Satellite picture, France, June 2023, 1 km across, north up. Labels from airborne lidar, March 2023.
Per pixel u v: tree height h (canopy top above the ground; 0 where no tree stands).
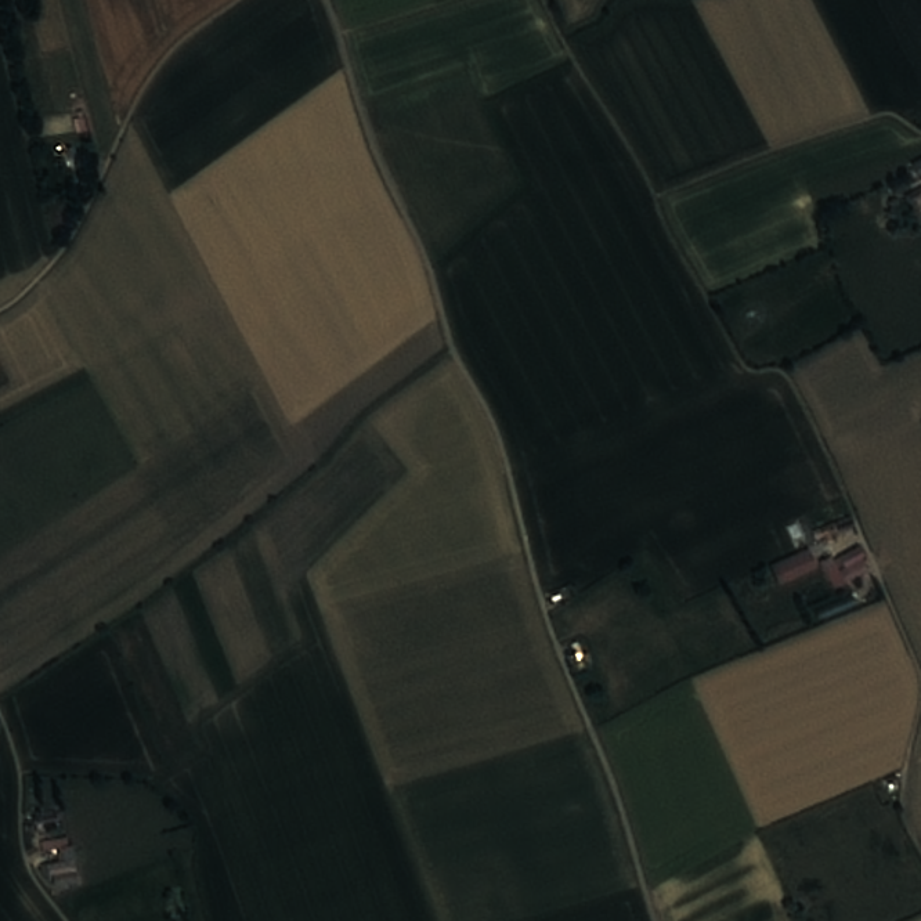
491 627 0
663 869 0
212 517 0
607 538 0
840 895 0
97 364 0
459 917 0
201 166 0
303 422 0
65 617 0
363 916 0
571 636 0
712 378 0
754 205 0
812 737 0
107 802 0
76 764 0
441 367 0
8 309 0
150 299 0
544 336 0
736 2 0
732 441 0
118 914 0
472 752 0
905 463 0
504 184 0
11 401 0
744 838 0
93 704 0
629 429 0
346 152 0
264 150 0
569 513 0
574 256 0
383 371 0
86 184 15
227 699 0
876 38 0
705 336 0
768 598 0
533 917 0
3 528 0
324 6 0
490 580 0
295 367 0
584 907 0
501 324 0
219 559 0
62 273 0
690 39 0
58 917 0
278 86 0
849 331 10
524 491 0
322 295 0
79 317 0
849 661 0
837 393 0
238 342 0
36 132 11
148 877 0
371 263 0
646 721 0
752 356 0
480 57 0
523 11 0
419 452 0
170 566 0
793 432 0
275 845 0
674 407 0
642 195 0
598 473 0
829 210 19
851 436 0
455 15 0
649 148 0
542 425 0
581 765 0
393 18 0
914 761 0
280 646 0
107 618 0
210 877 0
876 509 0
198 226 0
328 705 0
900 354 9
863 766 0
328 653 0
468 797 0
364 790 0
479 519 0
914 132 0
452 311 0
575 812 0
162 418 0
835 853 0
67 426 0
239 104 0
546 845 0
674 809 0
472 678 0
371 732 0
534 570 0
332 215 0
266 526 0
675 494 0
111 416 0
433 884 0
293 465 0
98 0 0
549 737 0
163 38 0
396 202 0
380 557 0
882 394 0
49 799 0
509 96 0
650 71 0
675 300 0
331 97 0
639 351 0
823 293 0
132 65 0
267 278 0
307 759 0
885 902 0
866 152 0
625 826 0
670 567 0
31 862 0
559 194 0
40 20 0
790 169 0
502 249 0
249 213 0
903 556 0
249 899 0
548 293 0
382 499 0
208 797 0
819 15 0
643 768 0
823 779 0
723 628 0
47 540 0
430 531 0
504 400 0
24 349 0
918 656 0
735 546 0
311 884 0
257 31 0
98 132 0
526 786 0
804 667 0
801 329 0
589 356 0
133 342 0
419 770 0
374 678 0
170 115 0
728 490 0
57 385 0
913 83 0
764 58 0
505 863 0
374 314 0
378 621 0
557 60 0
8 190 0
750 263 0
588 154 0
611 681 0
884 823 0
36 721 0
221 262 0
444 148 0
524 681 0
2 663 0
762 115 0
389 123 0
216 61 0
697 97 0
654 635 0
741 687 0
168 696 0
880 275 0
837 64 0
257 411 0
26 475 0
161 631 0
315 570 0
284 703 0
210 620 0
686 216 0
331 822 0
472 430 0
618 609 0
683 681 0
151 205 0
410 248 0
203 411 0
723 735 0
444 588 0
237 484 0
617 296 0
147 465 0
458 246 0
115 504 0
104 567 0
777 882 0
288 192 0
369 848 0
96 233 0
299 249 0
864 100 0
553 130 0
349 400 0
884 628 0
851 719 0
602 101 0
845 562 0
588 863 0
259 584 0
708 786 0
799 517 0
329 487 0
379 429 0
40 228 0
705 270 0
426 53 0
